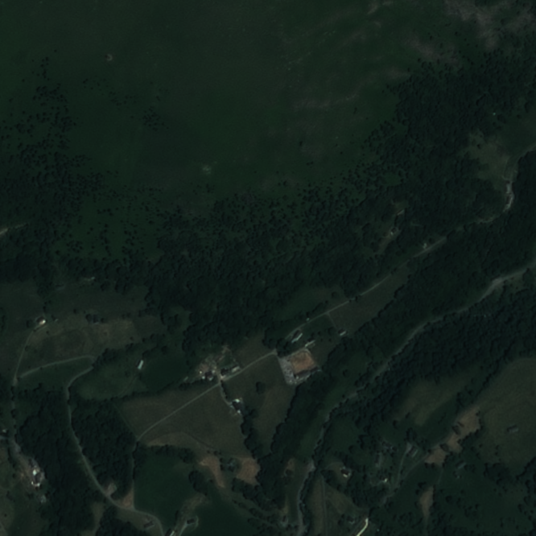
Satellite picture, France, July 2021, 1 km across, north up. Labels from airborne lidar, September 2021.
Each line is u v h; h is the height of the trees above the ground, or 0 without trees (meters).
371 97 0
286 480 26
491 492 0
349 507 0
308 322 0
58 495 13
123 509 0
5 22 0
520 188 16
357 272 15
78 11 0
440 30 8
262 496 19
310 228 24
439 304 10
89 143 0
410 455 9
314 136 0
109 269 17
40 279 8
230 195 0
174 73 0
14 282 13
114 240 0
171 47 0
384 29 0
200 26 0
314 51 0
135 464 6
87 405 15
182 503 0
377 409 19
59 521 10
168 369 0
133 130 0
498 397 0
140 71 0
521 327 25
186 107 0
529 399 0
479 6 16
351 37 0
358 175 21
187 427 0
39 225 13
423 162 10
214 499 0
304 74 0
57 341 0
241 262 15
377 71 0
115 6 0
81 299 0
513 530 0
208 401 0
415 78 14
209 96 0
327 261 22
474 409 0
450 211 25
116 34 0
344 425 0
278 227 21
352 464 18
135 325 0
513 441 0
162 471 0
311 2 0
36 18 0
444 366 21
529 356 12
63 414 12
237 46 0
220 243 14
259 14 0
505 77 20
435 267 18
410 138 20
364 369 0
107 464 14
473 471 10
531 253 14
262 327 8
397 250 7
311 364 0
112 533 10
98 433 13
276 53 0
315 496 0
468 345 16
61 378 0
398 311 27
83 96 0
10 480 0
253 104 0
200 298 29
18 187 17
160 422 0
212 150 0
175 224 13
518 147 0
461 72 16
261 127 0
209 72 0
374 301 0
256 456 18
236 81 0
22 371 0
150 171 0
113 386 0
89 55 0
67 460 33
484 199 19
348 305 0
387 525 6
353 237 12
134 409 0
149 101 0
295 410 24
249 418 20
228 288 22
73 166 15
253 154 0
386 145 9
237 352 0
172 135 0
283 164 0
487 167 9
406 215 16
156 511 0
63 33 0
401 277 0
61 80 0
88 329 0
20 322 0
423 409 0
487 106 21
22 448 7
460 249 10
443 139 22
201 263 17
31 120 11
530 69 18
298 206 24
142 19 0
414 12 0
